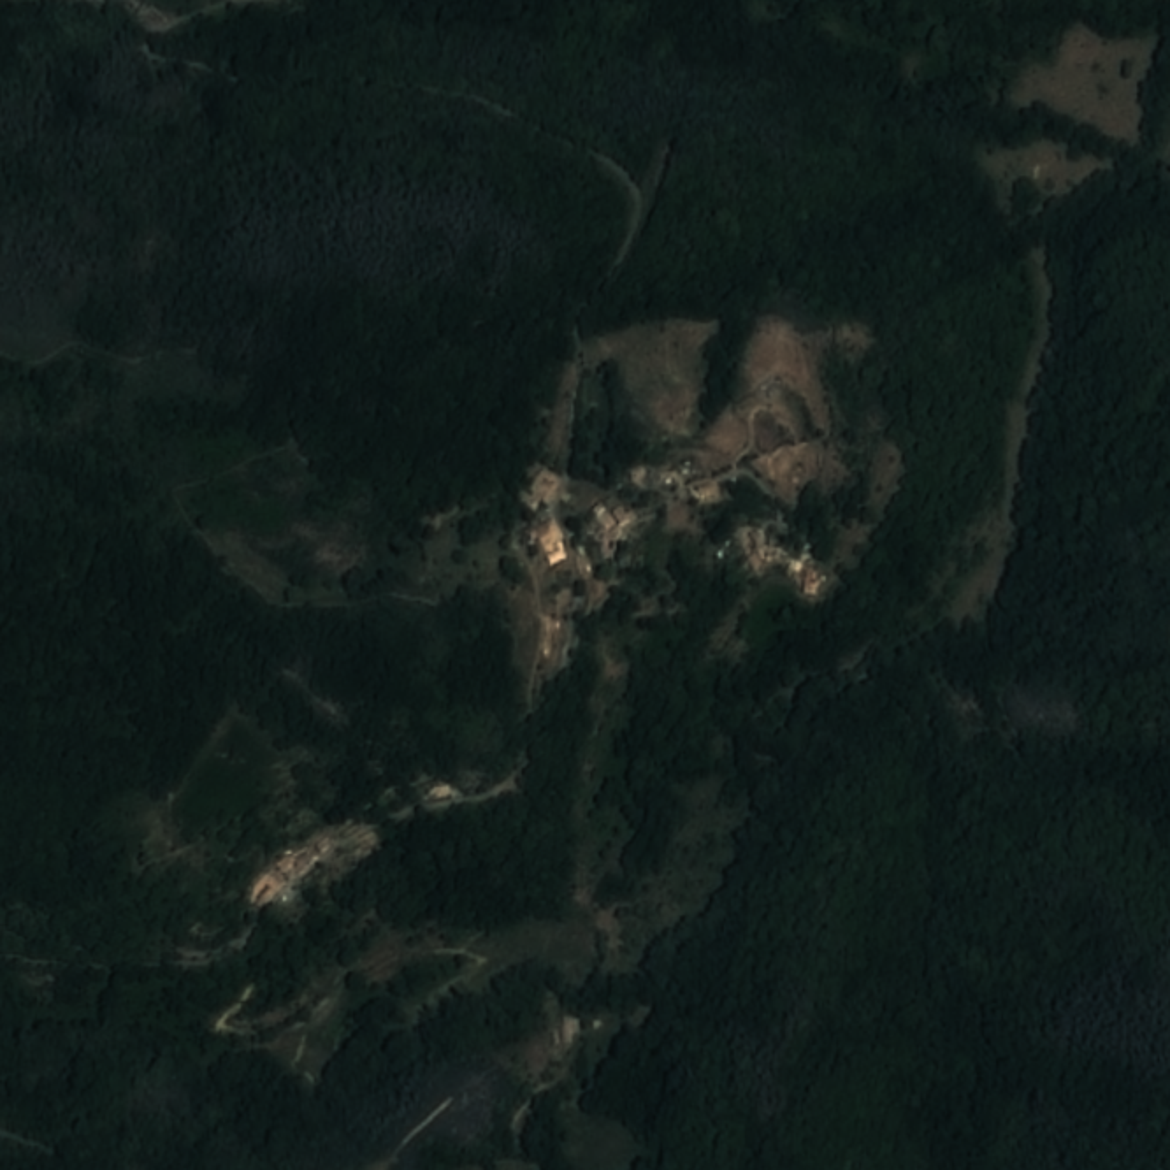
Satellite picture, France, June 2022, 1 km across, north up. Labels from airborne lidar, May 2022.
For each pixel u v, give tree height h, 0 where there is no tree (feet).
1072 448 50
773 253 62
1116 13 50
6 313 0
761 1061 46
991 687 33
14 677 50
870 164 47
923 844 51
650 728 50
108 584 37
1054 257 55
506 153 48
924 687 61
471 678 25
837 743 60
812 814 47
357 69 54
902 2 60
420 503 39
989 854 47
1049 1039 54
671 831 59
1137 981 72
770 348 0
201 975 34
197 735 46
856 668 48
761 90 55
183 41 65
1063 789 36
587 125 52
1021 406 0
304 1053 0
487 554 0
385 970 0
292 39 80
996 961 37
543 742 43
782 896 44
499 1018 46
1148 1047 42
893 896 54
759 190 30
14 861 54
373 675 35
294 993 63
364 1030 56
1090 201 50
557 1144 35
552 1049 0
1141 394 49
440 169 38
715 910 71
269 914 61
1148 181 63
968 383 59
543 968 72
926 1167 55
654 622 47
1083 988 57
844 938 30
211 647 32
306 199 31
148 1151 37
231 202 28
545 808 58
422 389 46
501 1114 27
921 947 36
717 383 60
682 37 84
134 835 0
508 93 52
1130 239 42
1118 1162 24
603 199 35
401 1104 23
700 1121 48
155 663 34
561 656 0
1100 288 39
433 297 63
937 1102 60
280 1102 71
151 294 23
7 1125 32
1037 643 22
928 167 59
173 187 27
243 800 0
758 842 97
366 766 29
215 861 32
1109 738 40
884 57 35
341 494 27
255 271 49
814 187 53
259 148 37
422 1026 65
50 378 34
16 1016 46
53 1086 56
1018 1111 29
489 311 81
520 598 0
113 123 37
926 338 30
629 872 37
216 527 0
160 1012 30
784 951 38
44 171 23
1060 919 33
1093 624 22
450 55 67
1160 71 68
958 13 51
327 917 43
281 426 32
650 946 42
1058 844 49
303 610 33
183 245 30
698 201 45
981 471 53
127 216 26
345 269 54
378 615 29
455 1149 33
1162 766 66
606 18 54
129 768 40
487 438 50
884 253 62
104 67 68
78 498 25
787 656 69
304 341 69
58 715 46
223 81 54
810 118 45
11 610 34
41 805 52
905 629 20
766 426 0
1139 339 45
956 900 54
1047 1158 21
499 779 33
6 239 37
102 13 50
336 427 77
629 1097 31
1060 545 31
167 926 48
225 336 26
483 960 0
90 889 37
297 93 60
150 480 17
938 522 47
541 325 48
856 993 46
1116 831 57
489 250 38
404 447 66
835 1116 43
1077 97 0
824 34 40
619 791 52
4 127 27
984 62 30
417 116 46
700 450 0
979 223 57
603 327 38
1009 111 52
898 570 41
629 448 70
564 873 39
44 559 36
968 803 41
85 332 21
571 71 49
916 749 44
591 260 48
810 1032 21
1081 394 47
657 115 61
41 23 46
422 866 21
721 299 65
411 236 32
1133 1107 57
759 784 65
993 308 44
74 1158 44
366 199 42
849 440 26
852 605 62
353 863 24
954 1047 49
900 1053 51
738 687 57
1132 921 43
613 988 76
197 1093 34
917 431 39
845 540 0
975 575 0
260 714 27
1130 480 61
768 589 0
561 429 0
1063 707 0
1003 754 28
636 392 0
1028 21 42
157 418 23
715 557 18
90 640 49
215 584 32
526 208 42
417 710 22
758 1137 27
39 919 40
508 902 39
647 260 40
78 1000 35
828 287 33
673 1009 64
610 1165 0
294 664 34
